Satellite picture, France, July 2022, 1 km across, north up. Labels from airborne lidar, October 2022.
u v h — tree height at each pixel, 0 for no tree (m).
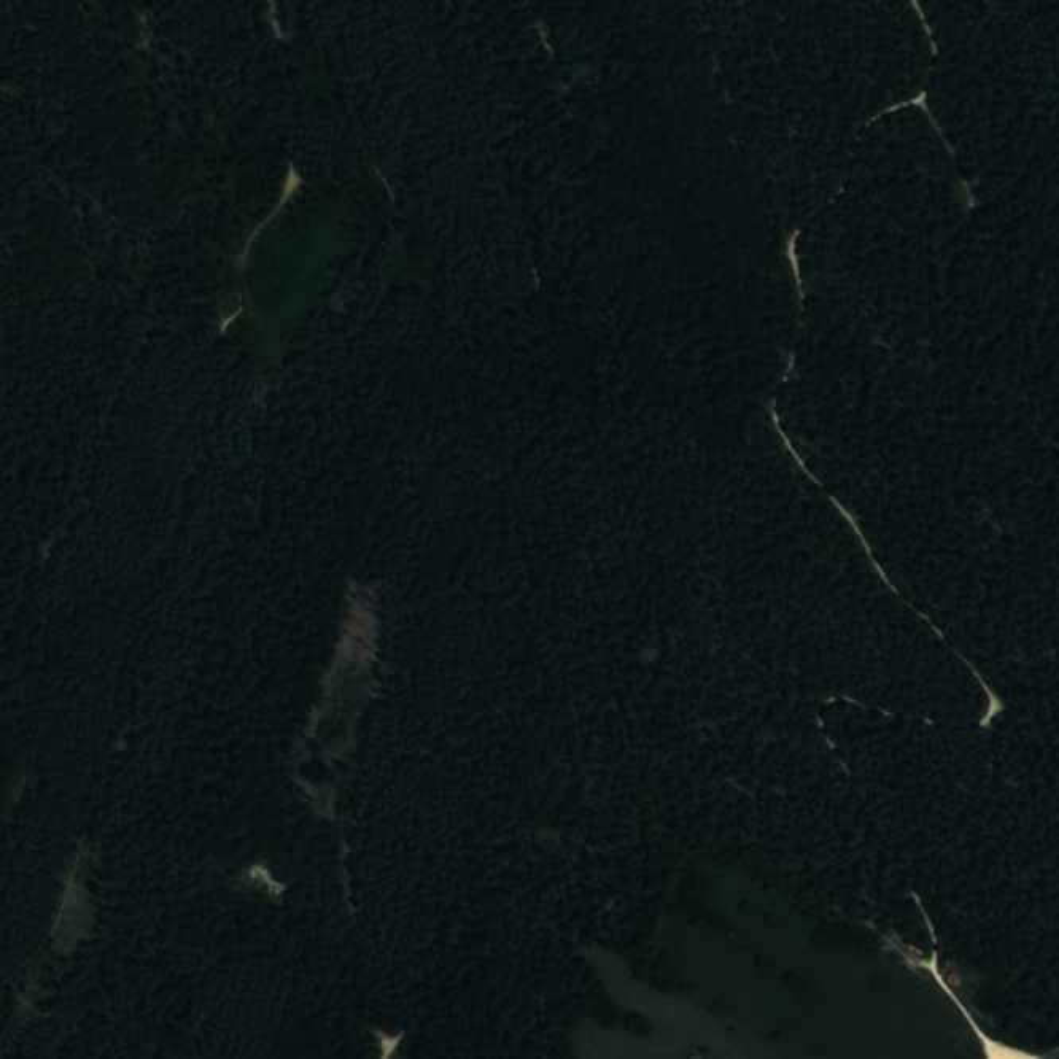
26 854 28
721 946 0
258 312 0
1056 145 23
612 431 26
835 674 13
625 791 9
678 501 13
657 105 10
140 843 28
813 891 19
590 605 27
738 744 11
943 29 16
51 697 28
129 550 29
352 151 30
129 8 18
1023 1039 6
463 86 33
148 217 21
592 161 17
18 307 8
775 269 21
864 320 12
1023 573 7
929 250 15
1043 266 11
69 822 28
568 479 36
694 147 15
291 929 13
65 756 27
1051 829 17
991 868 34
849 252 8
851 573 14
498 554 13
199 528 39
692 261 31
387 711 31
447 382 20
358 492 23
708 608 7
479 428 17
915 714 17
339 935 17
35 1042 34
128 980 17
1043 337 23
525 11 10
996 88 7
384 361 32
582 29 20
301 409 34
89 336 26
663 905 17
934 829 20
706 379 18
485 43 27
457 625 14
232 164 28
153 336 15
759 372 24
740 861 13
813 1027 0
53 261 22
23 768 27
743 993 0
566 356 9
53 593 30
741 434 19
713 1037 0
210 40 14
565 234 32
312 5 31
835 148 20
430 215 21
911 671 22
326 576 25
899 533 23
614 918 29
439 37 31
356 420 30
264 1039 22
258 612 26
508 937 15
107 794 18
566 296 34
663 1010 0
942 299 23
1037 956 19
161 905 19
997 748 20
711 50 13
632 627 21
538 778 18
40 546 32
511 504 25
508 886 16
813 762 22
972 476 8
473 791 31
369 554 12
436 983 21
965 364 15
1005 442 17
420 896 22
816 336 12
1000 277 15
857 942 8
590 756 15
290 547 22
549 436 19
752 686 21
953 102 16
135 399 30
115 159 19
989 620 15
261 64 26
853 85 17
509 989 17
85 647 27
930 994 0
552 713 19
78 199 20
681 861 21
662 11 18
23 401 22
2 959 25
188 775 33
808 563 25
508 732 20
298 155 31
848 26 15
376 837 35
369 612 15
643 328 28
